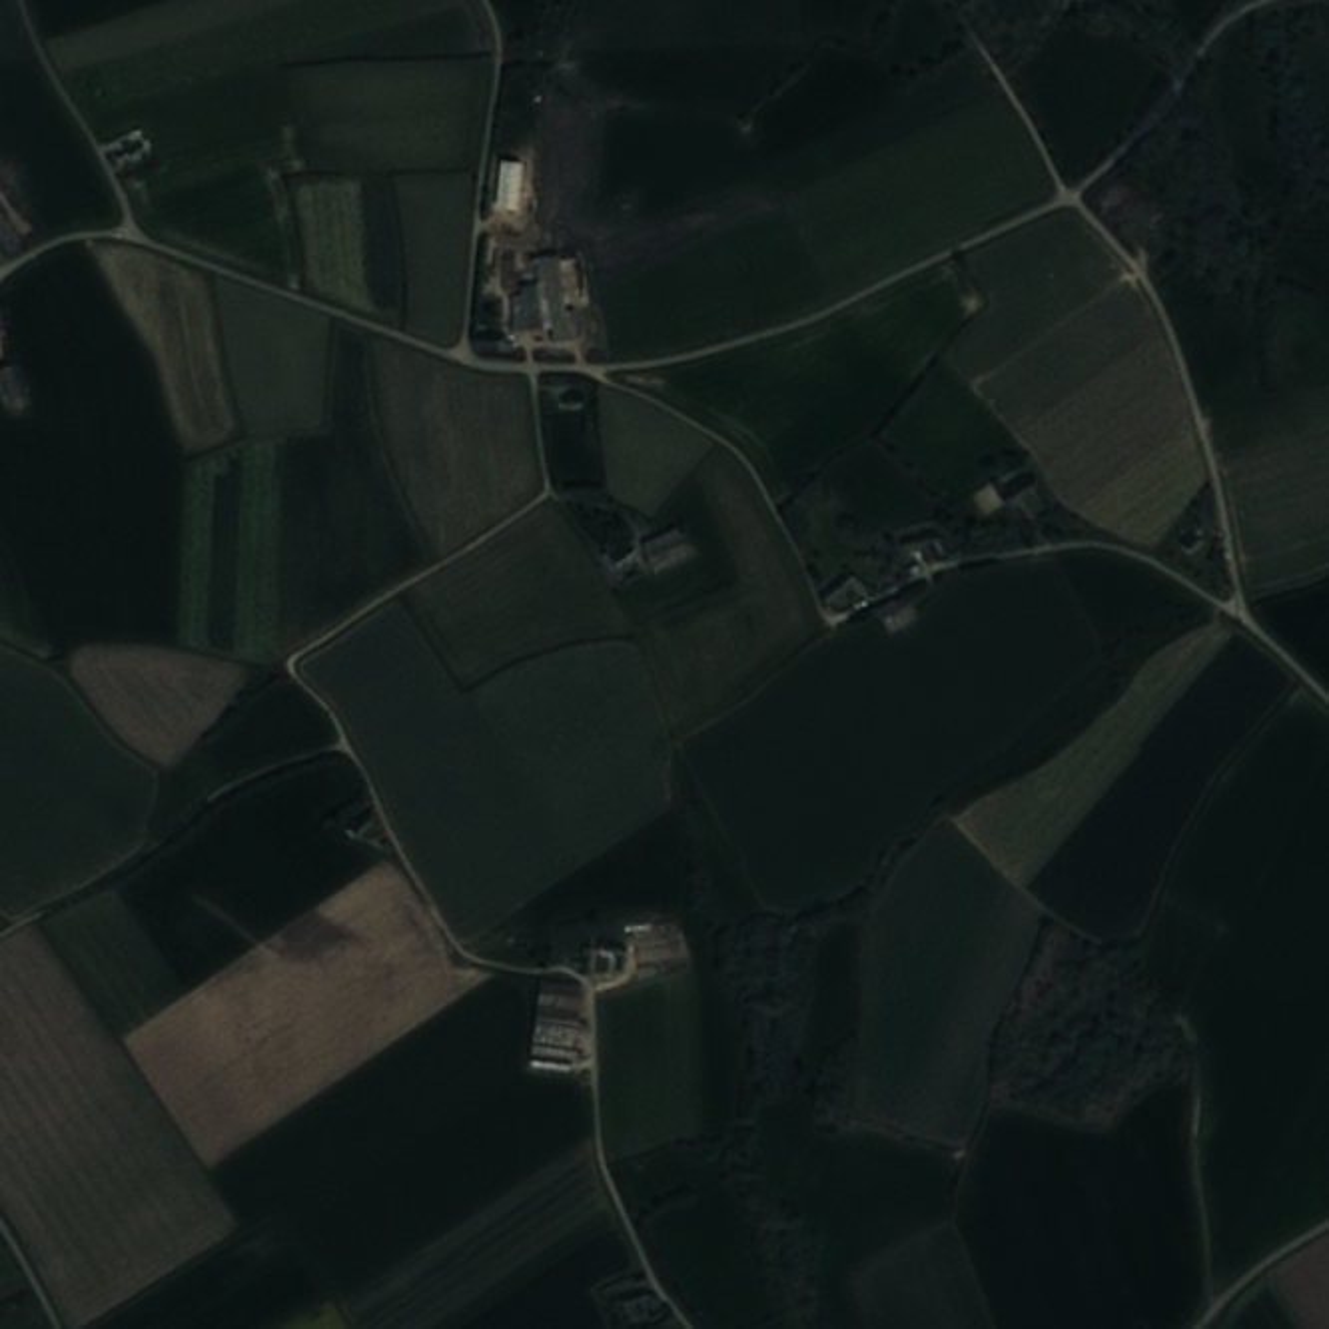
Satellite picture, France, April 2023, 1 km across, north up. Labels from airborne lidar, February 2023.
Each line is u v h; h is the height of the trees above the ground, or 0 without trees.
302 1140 0
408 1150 0
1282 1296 0
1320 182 8
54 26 0
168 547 0
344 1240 0
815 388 0
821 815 0
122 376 0
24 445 0
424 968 0
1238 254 16
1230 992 0
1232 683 0
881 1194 0
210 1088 0
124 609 0
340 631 0
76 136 0
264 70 0
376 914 0
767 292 0
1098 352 0
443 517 0
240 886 0
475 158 0
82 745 0
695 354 0
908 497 0
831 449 0
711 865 0
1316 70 0
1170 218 0
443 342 0
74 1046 0
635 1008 0
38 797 0
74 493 0
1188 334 0
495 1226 0
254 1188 0
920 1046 0
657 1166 0
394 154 0
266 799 0
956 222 0
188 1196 0
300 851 0
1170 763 0
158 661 0
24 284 0
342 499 0
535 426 0
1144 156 13
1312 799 0
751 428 0
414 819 0
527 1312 0
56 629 0
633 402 0
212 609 0
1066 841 0
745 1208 7
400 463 0
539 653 0
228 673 0
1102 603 0
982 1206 0
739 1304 0
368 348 0
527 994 0
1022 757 0
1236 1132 0
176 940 0
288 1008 0
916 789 0
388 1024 0
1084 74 0
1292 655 0
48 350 0
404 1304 0
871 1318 0
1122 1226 0
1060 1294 0
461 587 0
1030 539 11
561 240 0
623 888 0
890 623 0
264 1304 0
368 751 0
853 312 0
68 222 0
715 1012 0
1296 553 0
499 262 0
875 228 0
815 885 0
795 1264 10
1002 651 0
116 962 0
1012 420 0
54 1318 0
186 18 0
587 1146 0
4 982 0
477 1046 0
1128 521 0
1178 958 0
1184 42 10
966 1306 0
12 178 0
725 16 0
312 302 0
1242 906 0
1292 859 0
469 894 0
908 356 0
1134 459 0
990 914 0
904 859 0
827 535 0
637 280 0
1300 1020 0
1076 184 10
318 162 0
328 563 0
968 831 0
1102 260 0
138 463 0
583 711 0
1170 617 0
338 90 0
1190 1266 0
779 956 8
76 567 0
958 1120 0
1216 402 0
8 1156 0
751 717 0
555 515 0
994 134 0
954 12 10
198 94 0
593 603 0
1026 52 12
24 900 0
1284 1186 0
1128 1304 0
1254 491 0
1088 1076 9
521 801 0
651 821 0
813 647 0
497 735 0
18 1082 0
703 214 0
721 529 0
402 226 0
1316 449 0
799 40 0
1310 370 0
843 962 0
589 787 0
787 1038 11
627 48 0
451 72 0
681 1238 0
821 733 0
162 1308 0
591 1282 0
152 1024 0
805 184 0
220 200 0
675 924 0
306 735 0
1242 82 0
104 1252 0
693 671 0
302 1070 0
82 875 0
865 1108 0
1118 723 0
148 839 0
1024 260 0
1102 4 7
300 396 0
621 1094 0
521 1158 0
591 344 0
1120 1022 10
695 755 0
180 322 0
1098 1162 0
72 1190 0
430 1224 0
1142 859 0
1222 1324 0
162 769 0
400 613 0
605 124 0
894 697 0
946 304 0
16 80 0
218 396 0
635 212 0
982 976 0
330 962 0
